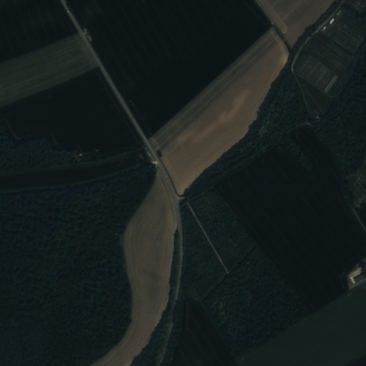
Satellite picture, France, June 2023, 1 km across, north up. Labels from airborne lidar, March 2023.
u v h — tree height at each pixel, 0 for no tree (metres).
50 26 0
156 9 0
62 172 0
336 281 0
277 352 0
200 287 11
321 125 19
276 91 12
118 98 0
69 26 0
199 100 0
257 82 0
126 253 0
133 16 0
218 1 0
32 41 0
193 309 0
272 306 20
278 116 14
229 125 0
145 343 0
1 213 11
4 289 18
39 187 0
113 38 0
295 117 12
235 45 0
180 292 7
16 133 0
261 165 0
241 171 0
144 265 0
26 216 30
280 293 23
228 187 0
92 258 21
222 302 10
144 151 0
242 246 9
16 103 0
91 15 0
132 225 0
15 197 15
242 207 0
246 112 0
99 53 0
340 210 0
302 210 0
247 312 18
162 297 0
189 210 13
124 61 0
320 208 0
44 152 21
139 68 0
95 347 26
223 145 0
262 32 0
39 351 16
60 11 0
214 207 15
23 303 17
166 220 0
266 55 0
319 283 0
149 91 0
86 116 0
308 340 0
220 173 13
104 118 0
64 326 18
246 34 0
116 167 0
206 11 0
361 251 0
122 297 21
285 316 19
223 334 13
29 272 19
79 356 23
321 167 0
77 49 0
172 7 0
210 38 0
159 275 0
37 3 0
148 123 0
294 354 0
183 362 0
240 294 17
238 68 0
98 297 29
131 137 0
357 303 0
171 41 0
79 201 17
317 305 0
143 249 0
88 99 0
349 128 18
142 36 0
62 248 17
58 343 19
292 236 0
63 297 17
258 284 18
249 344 19
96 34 0
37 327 14
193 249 9
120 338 16
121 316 19
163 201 0
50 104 0
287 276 0
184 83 0
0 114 0
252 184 0
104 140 0
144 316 0
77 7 0
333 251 0
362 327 0
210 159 0
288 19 0
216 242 10
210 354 0
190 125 0
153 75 0
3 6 0
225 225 7
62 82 0
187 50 0
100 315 22
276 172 0
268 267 8
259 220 0
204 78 0
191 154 0
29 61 0
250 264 9
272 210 0
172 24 0
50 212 11
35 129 0
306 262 0
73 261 24
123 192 18
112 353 0
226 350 0
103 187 16
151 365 14
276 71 0
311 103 0
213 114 0
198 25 0
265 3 0
